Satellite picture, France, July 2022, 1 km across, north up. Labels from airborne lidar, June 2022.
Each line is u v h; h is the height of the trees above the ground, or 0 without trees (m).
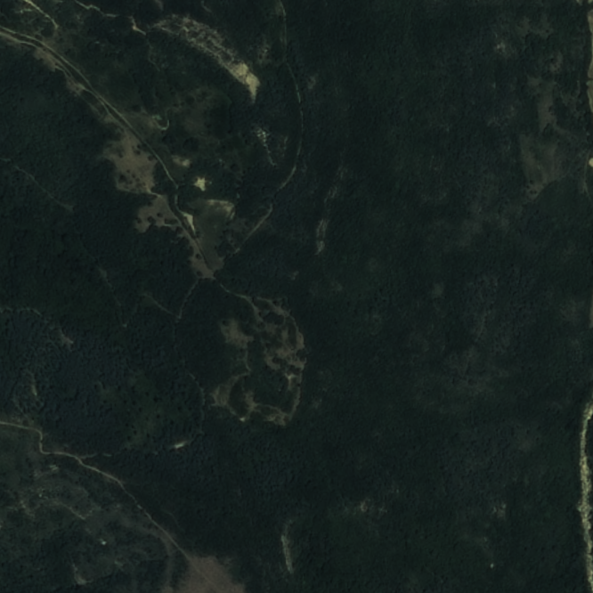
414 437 6
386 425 6
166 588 0
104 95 0
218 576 0
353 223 7
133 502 6
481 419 8
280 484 15
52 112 7
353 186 12
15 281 10
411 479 8
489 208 6
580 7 10
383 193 12
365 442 12
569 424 12
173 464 10
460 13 12
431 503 7
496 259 11
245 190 11
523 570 11
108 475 0
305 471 11
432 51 7
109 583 9
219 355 8
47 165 8
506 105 10
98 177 11
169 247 7
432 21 10
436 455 11
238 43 6
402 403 10
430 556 6
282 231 7
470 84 9
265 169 7
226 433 9
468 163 8
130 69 6
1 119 8
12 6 6
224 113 0
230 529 7
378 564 7
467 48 8
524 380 6
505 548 7
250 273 9
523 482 9
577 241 7
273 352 0
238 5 11
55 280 9
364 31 15
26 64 6
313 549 16
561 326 6
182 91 0
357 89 12
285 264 11
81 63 0
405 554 6
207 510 7
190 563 0
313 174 9
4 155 7
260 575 5
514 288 8
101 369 17
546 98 0
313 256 8
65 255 15
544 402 6
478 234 7
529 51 12
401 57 7
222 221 0
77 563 6
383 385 9
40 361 16
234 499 8
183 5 8
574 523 13
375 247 10
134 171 0
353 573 7
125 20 10
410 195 11
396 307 11
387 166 8
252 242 6
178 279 6
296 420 6
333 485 10
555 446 8
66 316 11
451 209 9
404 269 11
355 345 9
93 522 0
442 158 8
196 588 0
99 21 9
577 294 12
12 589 8
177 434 6
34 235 10
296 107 10
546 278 10
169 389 7
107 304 8
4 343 6
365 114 16
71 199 7
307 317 15
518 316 9
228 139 0
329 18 8
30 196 6
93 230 13
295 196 12
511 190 7
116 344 14
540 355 13
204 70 8
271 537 9
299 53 13
